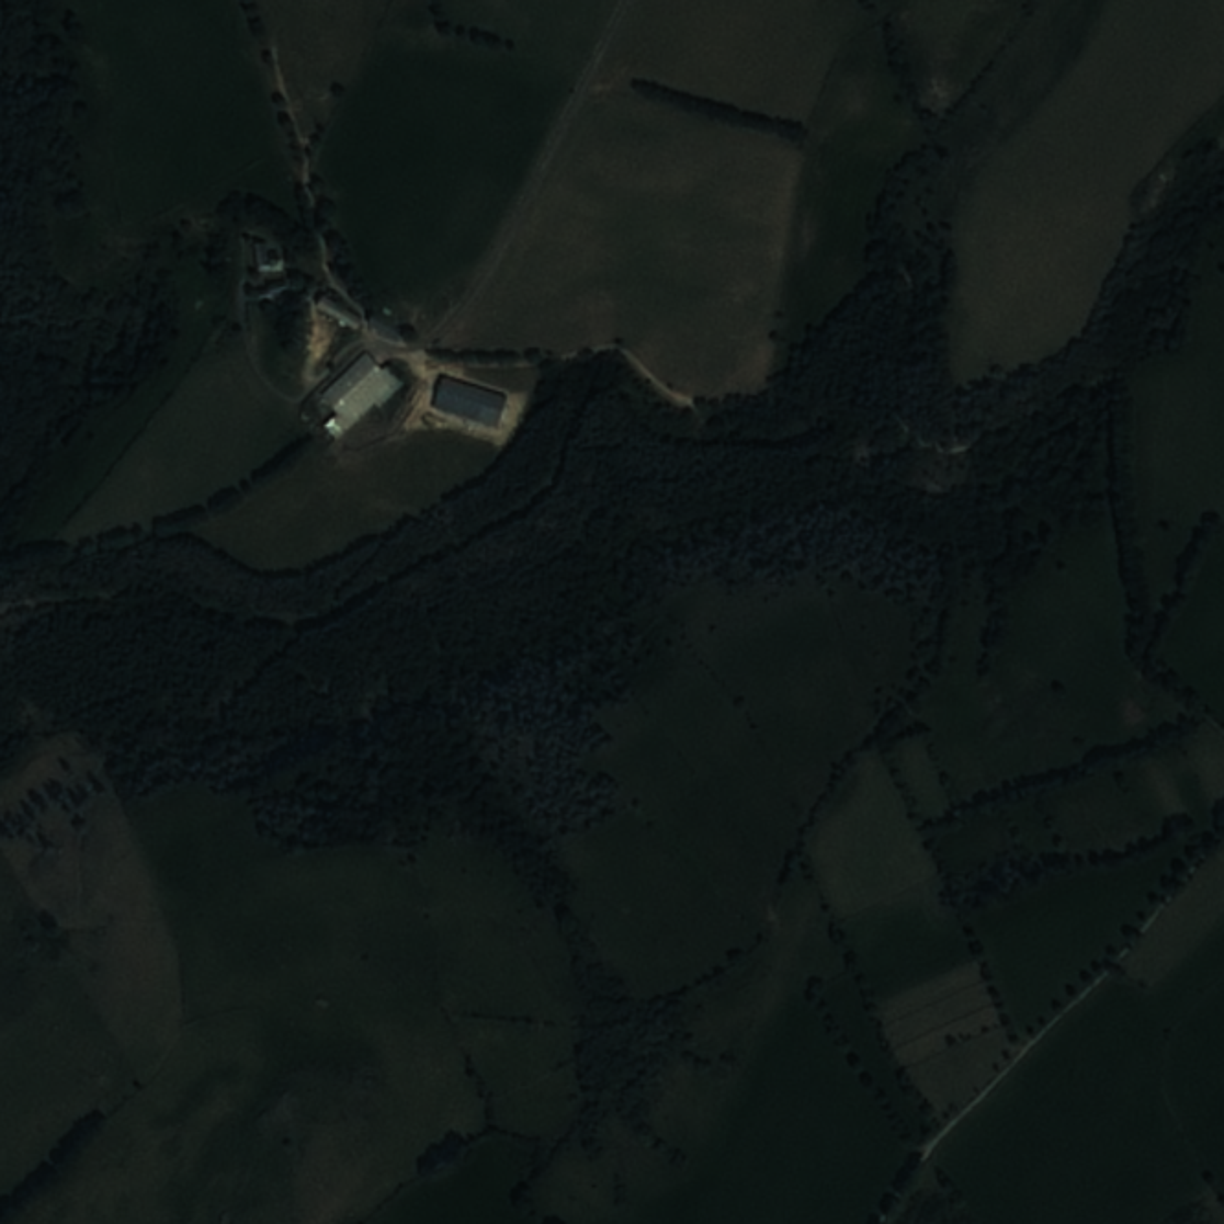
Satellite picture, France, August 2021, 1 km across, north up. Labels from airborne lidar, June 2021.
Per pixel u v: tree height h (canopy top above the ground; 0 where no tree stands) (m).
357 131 0
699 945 0
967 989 0
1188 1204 0
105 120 0
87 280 0
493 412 0
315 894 0
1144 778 0
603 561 15
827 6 0
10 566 14
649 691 0
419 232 0
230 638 28
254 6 11
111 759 10
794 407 20
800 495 13
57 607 7
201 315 0
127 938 0
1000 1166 0
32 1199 15
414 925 0
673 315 0
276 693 21
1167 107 0
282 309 8
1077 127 0
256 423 0
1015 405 9
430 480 0
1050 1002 0
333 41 0
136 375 9
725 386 0
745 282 0
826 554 14
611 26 0
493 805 15
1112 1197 0
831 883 0
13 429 25
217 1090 0
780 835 0
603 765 0
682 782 0
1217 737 0
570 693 13
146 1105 0
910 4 0
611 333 0
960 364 0
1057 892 0
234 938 0
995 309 0
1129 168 0
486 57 0
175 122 0
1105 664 0
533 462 14
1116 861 14
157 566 16
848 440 12
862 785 0
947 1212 0
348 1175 0
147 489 0
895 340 18
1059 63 0
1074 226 0
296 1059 0
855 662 0
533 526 13
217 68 0
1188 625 0
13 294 18
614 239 0
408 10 0
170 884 0
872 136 0
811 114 0
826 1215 0
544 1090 0
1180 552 0
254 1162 0
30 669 24
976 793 0
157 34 0
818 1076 0
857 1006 0
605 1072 8
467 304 0
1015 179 0
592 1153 8
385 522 0
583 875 0
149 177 0
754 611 0
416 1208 0
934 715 0
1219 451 0
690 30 0
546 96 0
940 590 8
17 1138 0
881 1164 0
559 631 8
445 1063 0
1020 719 0
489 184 0
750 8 0
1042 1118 0
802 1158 0
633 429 14
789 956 0
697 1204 0
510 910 0
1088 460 16
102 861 0
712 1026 0
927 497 15
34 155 22
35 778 0
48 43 17
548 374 10
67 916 0
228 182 0
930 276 10
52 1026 0
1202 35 0
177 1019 0
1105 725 0
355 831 13
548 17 0
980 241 0
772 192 0
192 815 0
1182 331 16
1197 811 0
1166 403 0
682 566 11
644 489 23
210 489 0
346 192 0
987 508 18
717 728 0
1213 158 15
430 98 0
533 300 0
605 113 0
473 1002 0
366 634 23
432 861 0
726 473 23
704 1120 0
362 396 0
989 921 0
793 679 0
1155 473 0
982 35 0
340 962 0
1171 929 0
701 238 0
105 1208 0
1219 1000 0
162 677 25
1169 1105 0
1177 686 11
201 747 7
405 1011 0
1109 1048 0
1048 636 0
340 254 20
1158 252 14
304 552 0
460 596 26
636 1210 0
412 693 15
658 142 0
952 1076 0
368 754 26
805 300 0
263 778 9
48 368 29
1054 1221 0
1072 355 14
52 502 0
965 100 8
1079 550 0
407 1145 0
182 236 9
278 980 0
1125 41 0
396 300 0
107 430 0
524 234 0
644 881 0
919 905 0
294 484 0
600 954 0
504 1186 0
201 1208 0
